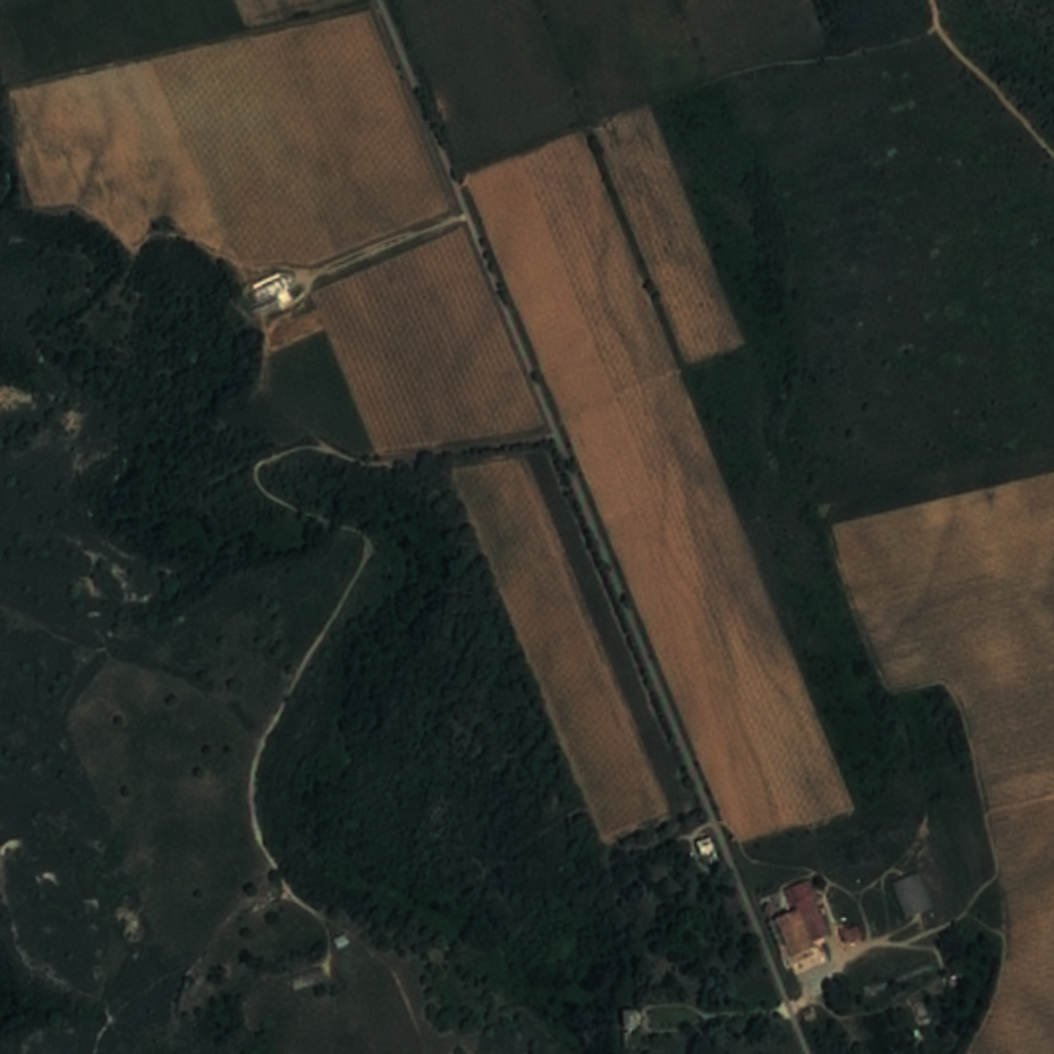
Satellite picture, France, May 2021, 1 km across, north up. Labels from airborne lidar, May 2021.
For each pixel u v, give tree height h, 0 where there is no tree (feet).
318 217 0
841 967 0
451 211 0
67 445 0
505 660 20
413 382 0
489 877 18
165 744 0
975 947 46
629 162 0
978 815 0
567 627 0
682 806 0
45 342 37
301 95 0
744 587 0
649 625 0
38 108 0
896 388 0
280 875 24
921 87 0
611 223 0
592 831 35
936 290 0
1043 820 0
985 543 0
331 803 22
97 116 0
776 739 0
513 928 33
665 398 0
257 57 0
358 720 62
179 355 32
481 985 33
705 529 0
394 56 0
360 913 36
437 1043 0
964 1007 48
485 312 0
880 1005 0
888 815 0
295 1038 0
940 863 0
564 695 0
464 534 42
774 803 0
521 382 0
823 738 0
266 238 0
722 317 0
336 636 22
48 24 0
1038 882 0
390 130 0
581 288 0
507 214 0
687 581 0
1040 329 0
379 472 25
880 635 0
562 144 0
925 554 0
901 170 0
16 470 0
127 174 0
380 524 43
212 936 0
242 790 0
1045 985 0
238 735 0
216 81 0
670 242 0
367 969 0
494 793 47
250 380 31
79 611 29
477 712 24
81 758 0
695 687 0
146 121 0
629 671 0
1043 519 0
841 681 0
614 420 0
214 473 28
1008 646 0
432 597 41
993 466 0
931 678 0
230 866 0
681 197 0
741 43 0
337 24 0
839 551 0
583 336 0
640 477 0
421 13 0
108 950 0
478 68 0
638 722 0
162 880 0
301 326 0
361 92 0
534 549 0
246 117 0
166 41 0
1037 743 0
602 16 0
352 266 0
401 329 0
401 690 24
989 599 0
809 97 0
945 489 0
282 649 24
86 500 23
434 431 0
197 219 0
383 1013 0
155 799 0
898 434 0
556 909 36
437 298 0
